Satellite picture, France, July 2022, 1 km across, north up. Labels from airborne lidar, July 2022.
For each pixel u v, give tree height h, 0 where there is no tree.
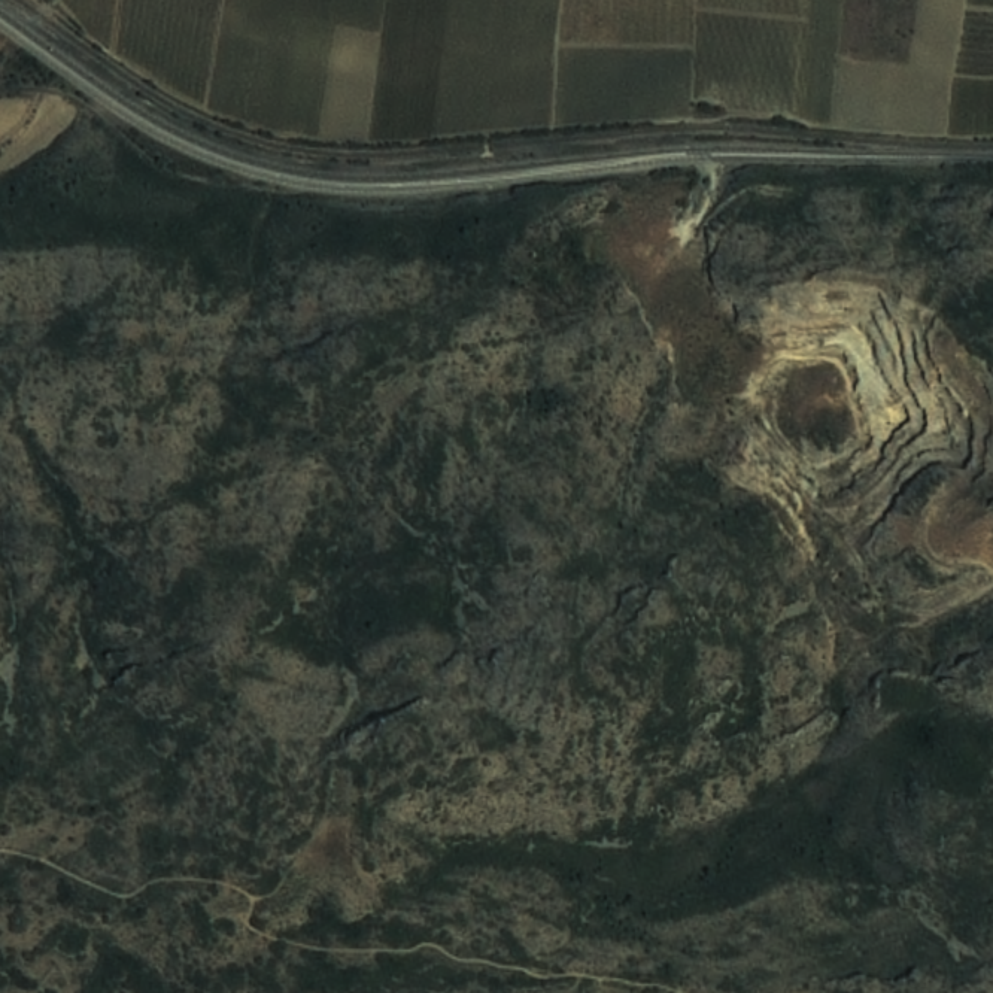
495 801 0
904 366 0
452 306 0
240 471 0
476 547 0
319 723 0
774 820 0
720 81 0
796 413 0
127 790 0
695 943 0
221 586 0
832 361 0
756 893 0
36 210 0
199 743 0
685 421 0
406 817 0
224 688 0
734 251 0
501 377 0
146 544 0
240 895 0
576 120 0
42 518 0
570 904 0
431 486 0
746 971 0
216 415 0
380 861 0
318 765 0
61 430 0
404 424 0
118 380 0
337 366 0
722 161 0
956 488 0
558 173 0
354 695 0
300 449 0
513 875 0
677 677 0
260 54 0
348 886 0
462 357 0
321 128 0
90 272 0
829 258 0
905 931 0
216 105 0
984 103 0
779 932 0
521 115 0
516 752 0
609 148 0
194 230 0
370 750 0
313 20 0
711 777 0
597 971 0
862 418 0
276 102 0
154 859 0
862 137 0
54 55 0
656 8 0
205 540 0
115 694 0
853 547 0
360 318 0
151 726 0
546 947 0
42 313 0
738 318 0
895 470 0
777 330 0
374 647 0
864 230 0
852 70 0
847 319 0
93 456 0
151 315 0
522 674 0
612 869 0
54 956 0
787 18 0
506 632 0
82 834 0
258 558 0
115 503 0
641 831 0
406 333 0
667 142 0
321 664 0
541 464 0
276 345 0
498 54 0
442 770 0
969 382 0
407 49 0
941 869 0
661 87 0
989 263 0
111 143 0
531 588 0
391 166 0
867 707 0
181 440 0
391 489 0
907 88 0
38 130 0
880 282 0
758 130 0
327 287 0
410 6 0
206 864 0
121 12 0
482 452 0
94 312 0
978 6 0
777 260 0
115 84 0
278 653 0
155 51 0
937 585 0
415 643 0
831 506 0
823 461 0
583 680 0
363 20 0
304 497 0
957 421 0
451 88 0
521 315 0
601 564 0
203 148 0
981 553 0
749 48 0
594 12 0
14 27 0
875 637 0
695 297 0
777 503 0
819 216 0
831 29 0
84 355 0
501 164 0
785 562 0
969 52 0
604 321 0
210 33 0
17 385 0
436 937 0
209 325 0
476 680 0
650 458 0
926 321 0
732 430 0
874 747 0
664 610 0
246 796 0
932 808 0
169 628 0
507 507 0
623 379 0
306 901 0
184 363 0
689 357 0
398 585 0
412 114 0
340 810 0
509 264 0
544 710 0
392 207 0
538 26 0
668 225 0
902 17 0
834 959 0
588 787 0
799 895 0
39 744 0
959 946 0
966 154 0
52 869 0
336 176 0
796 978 0
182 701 0
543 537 0
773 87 0
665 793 0
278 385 0
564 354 0
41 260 0
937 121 0
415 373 0
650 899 0
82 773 0
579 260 8
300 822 0
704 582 0
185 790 0
